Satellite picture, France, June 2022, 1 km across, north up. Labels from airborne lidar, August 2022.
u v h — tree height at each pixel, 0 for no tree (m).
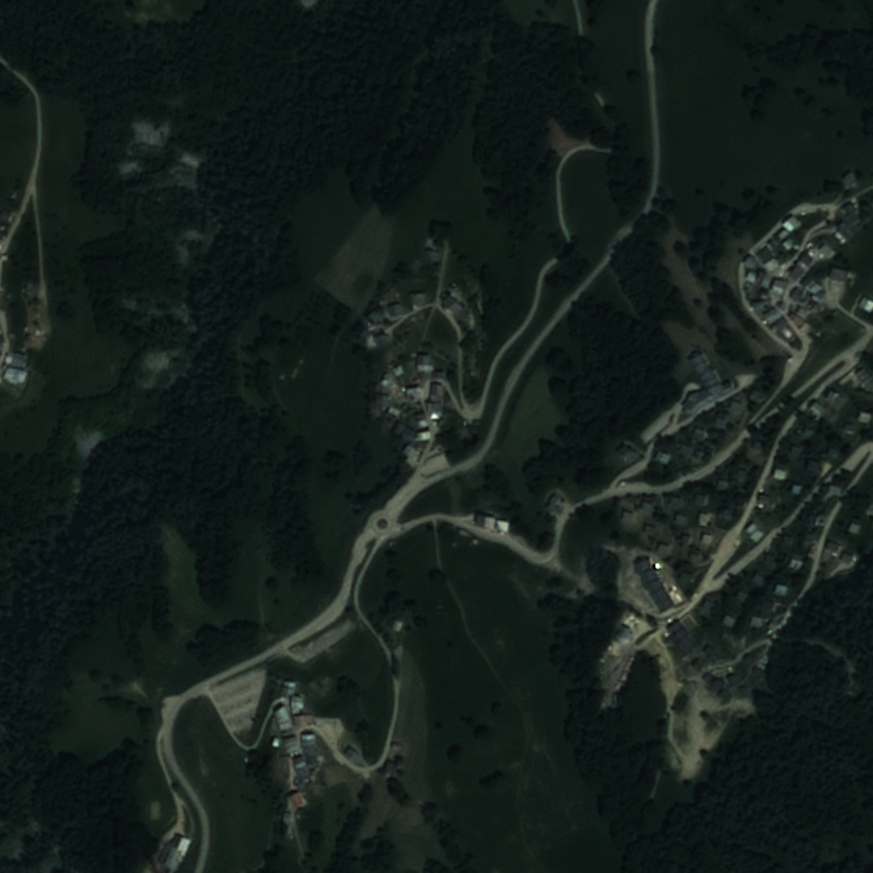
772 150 0
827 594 6
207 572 30
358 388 0
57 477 31
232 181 22
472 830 0
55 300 0
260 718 9
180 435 26
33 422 0
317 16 12
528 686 0
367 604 0
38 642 24
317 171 26
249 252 19
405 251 0
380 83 24
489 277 23
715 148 0
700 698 0
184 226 19
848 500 12
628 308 0
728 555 0
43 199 0
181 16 0
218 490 16
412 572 0
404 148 21
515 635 0
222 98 9
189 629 0
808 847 19
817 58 14
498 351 0
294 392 0
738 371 0
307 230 0
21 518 26
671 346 17
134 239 17
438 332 0
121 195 21
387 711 0
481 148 18
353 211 0
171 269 18
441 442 10
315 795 0
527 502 0
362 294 0
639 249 24
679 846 15
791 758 17
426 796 0
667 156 0
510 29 29
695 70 0
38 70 20
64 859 18
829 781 15
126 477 11
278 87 18
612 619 31
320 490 0
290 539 20
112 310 32
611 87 0
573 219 0
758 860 25
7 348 0
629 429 21
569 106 20
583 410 16
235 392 22
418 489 0
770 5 0
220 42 22
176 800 0
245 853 0
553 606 19
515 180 23
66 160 0
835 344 0
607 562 22
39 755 16
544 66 11
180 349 12
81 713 0
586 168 0
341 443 0
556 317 0
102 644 0
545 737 0
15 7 23
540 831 0
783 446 9
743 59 0
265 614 0
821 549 0
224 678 0
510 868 0
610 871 0
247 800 6
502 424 0
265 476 7
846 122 0
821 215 0
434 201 0
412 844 0
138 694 0
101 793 23
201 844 0
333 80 32
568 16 0
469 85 9
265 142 27
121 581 26
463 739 0
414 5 30
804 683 22
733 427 9
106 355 0
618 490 0
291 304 0
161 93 17
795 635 16
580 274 18
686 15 0
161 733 0
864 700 17
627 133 19
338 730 0
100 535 27
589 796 0
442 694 0
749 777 30
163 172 8
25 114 0
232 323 23
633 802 17
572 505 0
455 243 0
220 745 0
